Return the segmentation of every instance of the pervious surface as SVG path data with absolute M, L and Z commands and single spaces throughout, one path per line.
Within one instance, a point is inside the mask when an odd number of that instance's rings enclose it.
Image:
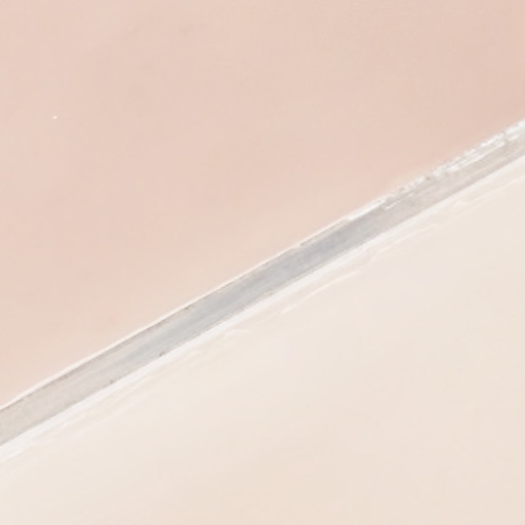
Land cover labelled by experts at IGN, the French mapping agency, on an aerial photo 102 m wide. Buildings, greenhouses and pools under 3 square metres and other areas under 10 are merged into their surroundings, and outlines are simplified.
M 439 201 L 445 201 L 447 197 L 472 187 L 474 183 L 511 164 L 513 160 L 525 156 L 525 119 L 476 144 L 472 150 L 466 150 L 451 162 L 425 170 L 422 174 L 406 183 L 398 180 L 390 191 L 383 193 L 386 201 L 377 209 L 365 213 L 363 217 L 328 232 L 314 244 L 283 254 L 281 258 L 265 265 L 260 271 L 240 279 L 238 283 L 228 285 L 226 289 L 211 293 L 197 304 L 187 306 L 185 310 L 160 320 L 158 324 L 144 328 L 142 332 L 121 340 L 119 345 L 88 359 L 76 369 L 51 379 L 49 383 L 27 394 L 25 398 L 18 398 L 12 404 L 0 408 L 0 445 L 62 414 L 70 406 L 86 400 L 88 396 L 113 386 L 125 375 L 133 373 L 137 367 L 146 365 L 148 361 L 166 355 L 174 347 L 195 338 L 197 334 L 219 324 L 221 320 L 228 320 L 244 308 L 256 304 L 258 299 L 289 285 L 291 281 L 316 271 L 328 260 L 336 258 L 338 254 L 367 242 L 369 238 L 390 228 L 400 226 L 402 221 L 418 215 L 422 209 L 437 205 Z

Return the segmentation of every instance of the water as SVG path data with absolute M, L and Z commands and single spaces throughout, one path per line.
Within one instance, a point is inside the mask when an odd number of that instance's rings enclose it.
M 447 197 L 445 201 L 439 201 L 437 205 L 422 209 L 418 215 L 402 221 L 400 226 L 390 228 L 369 238 L 367 242 L 338 254 L 336 258 L 328 260 L 316 271 L 291 281 L 289 285 L 258 299 L 256 304 L 244 308 L 228 320 L 221 320 L 219 324 L 197 334 L 195 338 L 174 347 L 166 355 L 148 361 L 146 365 L 137 367 L 133 373 L 125 375 L 113 386 L 88 396 L 86 400 L 70 406 L 62 414 L 0 445 L 0 525 L 525 525 L 525 156 L 513 160 L 511 164 L 474 183 L 472 187 Z
M 144 328 L 158 324 L 160 320 L 185 310 L 187 306 L 197 304 L 211 293 L 226 289 L 228 285 L 238 283 L 240 279 L 260 271 L 265 265 L 281 258 L 283 254 L 314 244 L 328 232 L 363 217 L 365 213 L 377 209 L 386 201 L 383 193 L 390 191 L 398 180 L 406 183 L 422 174 L 425 170 L 451 162 L 466 150 L 472 150 L 476 144 L 525 119 L 525 0 L 0 0 L 0 408 L 12 404 L 18 398 L 25 398 L 27 394 L 49 383 L 51 379 L 76 369 L 88 359 L 119 345 L 121 340 L 142 332 Z

